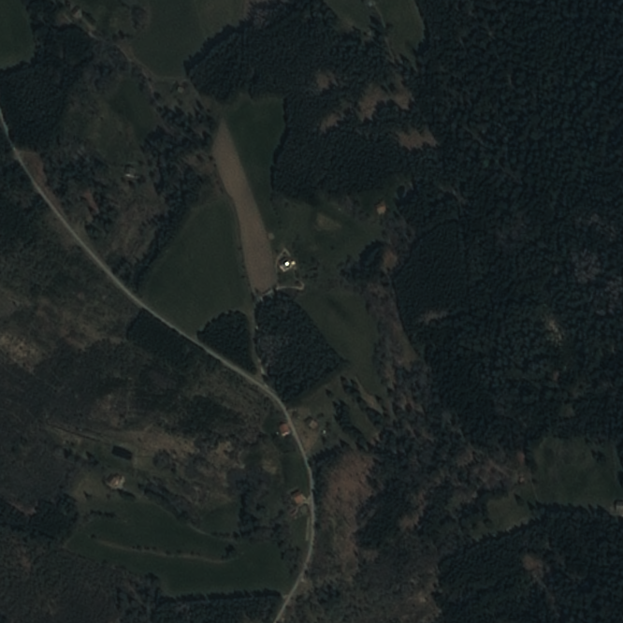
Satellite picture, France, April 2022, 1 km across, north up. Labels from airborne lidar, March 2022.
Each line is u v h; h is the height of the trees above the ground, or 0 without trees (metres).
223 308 0
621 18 31
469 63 28
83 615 6
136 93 0
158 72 0
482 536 0
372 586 14
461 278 26
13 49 0
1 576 11
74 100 17
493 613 19
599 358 38
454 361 27
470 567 23
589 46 30
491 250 21
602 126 31
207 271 0
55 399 9
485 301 31
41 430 7
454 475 19
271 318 24
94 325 0
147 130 0
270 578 0
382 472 22
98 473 16
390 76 24
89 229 8
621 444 20
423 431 18
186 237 0
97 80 21
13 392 6
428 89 14
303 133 23
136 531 0
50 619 6
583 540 17
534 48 24
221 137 0
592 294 30
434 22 27
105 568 6
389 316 20
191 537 0
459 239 20
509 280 30
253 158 0
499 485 22
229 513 0
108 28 0
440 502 22
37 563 9
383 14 0
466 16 30
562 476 0
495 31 36
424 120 12
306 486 0
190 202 21
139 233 0
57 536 13
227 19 0
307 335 22
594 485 0
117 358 9
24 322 0
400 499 24
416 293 22
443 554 18
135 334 15
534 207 37
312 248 0
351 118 26
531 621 21
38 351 0
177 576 0
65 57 20
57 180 13
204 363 7
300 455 0
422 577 8
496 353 10
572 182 32
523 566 23
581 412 11
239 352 13
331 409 0
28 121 24
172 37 0
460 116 24
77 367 7
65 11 22
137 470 0
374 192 27
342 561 18
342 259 0
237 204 0
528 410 15
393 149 23
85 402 6
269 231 0
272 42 25
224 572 0
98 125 0
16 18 0
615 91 32
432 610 0
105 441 0
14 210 12
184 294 0
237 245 0
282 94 20
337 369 19
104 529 0
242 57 23
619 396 11
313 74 25
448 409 21
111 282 0
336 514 0
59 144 9
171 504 15
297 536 0
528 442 10
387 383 13
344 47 25
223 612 25
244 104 0
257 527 23
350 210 18
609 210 31
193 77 24
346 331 0
